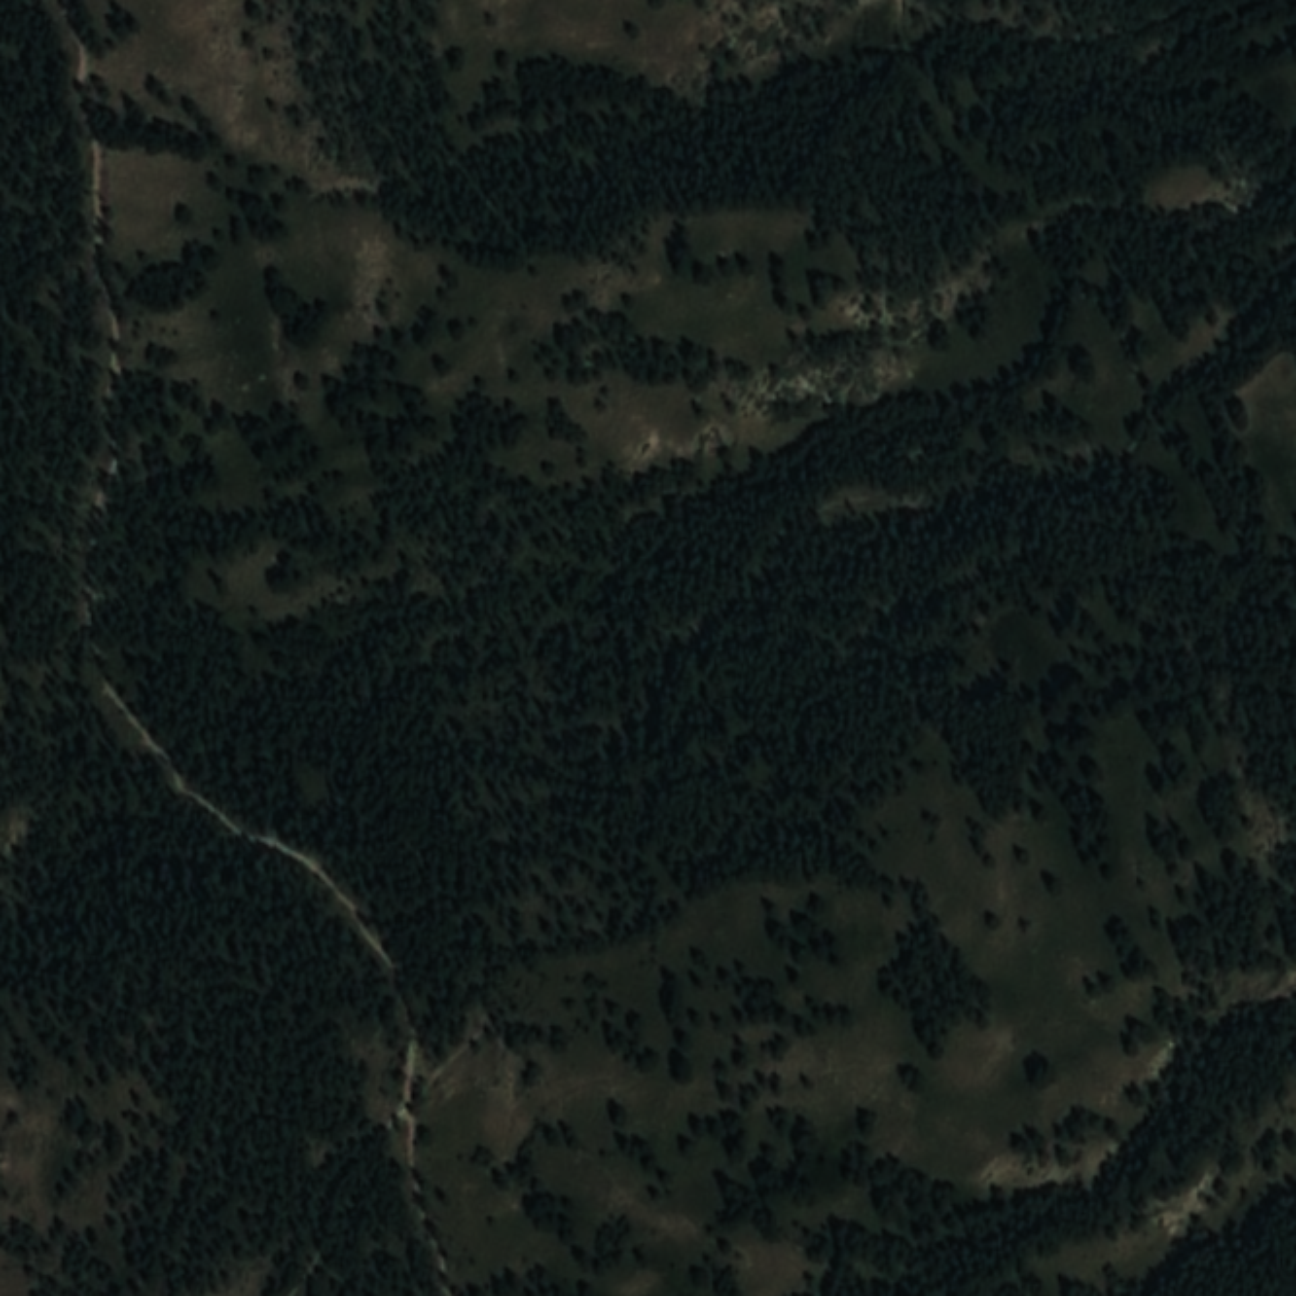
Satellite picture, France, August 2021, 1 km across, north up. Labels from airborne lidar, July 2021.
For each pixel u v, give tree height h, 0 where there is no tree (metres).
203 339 0
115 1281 23
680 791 24
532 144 27
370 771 15
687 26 0
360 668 25
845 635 22
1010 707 33
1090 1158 0
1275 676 27
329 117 16
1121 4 16
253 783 15
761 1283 0
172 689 26
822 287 23
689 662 26
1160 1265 0
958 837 0
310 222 0
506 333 0
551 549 26
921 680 26
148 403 24
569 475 0
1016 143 26
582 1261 21
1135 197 22
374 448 18
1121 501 20
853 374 7
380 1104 0
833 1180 0
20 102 24
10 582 26
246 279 0
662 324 0
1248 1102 19
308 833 14
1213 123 25
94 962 12
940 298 9
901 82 22
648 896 14
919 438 12
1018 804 25
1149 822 0
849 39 0
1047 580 6
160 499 32
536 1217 25
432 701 13
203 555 26
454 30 0
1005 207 23
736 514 23
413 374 0
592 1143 0
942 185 19
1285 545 15
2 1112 0
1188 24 18
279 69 0
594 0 0
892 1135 0
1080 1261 0
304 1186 22
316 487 13
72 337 24
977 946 0
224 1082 22
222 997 22
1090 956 0
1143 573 19
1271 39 0
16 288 26
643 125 8
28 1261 16
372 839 14
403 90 27
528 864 20
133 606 28
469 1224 0
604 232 22
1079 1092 0
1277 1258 25
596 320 19
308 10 9
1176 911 0
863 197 24
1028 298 0
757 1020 26
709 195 20
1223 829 21
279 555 0
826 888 0
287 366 0
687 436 0
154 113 0
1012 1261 19
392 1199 23
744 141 15
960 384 0
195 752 28
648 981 0
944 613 25
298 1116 28
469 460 25
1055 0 10
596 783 27
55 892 17
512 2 0
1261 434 0
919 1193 29
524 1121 0
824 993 0
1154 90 18
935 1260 22
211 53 0
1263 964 16
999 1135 0
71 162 23
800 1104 0
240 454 0
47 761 16
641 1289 0
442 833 16
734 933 0
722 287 0
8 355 28
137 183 0
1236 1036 34
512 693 6
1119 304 21
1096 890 0
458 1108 0
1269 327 30
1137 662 21
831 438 17
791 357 0
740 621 24
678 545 23
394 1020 18
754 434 0
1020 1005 0
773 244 0
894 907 14
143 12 0
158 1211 18
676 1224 0
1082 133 30
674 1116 0
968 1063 0
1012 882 0
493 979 16
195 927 23
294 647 13
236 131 0
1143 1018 0
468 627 24
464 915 26
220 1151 21
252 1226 26
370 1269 24
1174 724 26
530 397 0
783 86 16
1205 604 11
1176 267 20
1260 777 18
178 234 0
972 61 22
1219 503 25
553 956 16
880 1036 0
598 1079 0
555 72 16
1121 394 0
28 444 31
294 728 20
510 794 24
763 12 0
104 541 28
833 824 19
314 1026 19
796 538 21
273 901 7
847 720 22
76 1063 20
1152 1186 18
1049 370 22
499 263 19
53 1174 0
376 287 0
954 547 23
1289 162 20
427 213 22
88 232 26
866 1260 21
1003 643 0
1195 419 0
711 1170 0
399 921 9
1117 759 0
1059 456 17
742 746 12
